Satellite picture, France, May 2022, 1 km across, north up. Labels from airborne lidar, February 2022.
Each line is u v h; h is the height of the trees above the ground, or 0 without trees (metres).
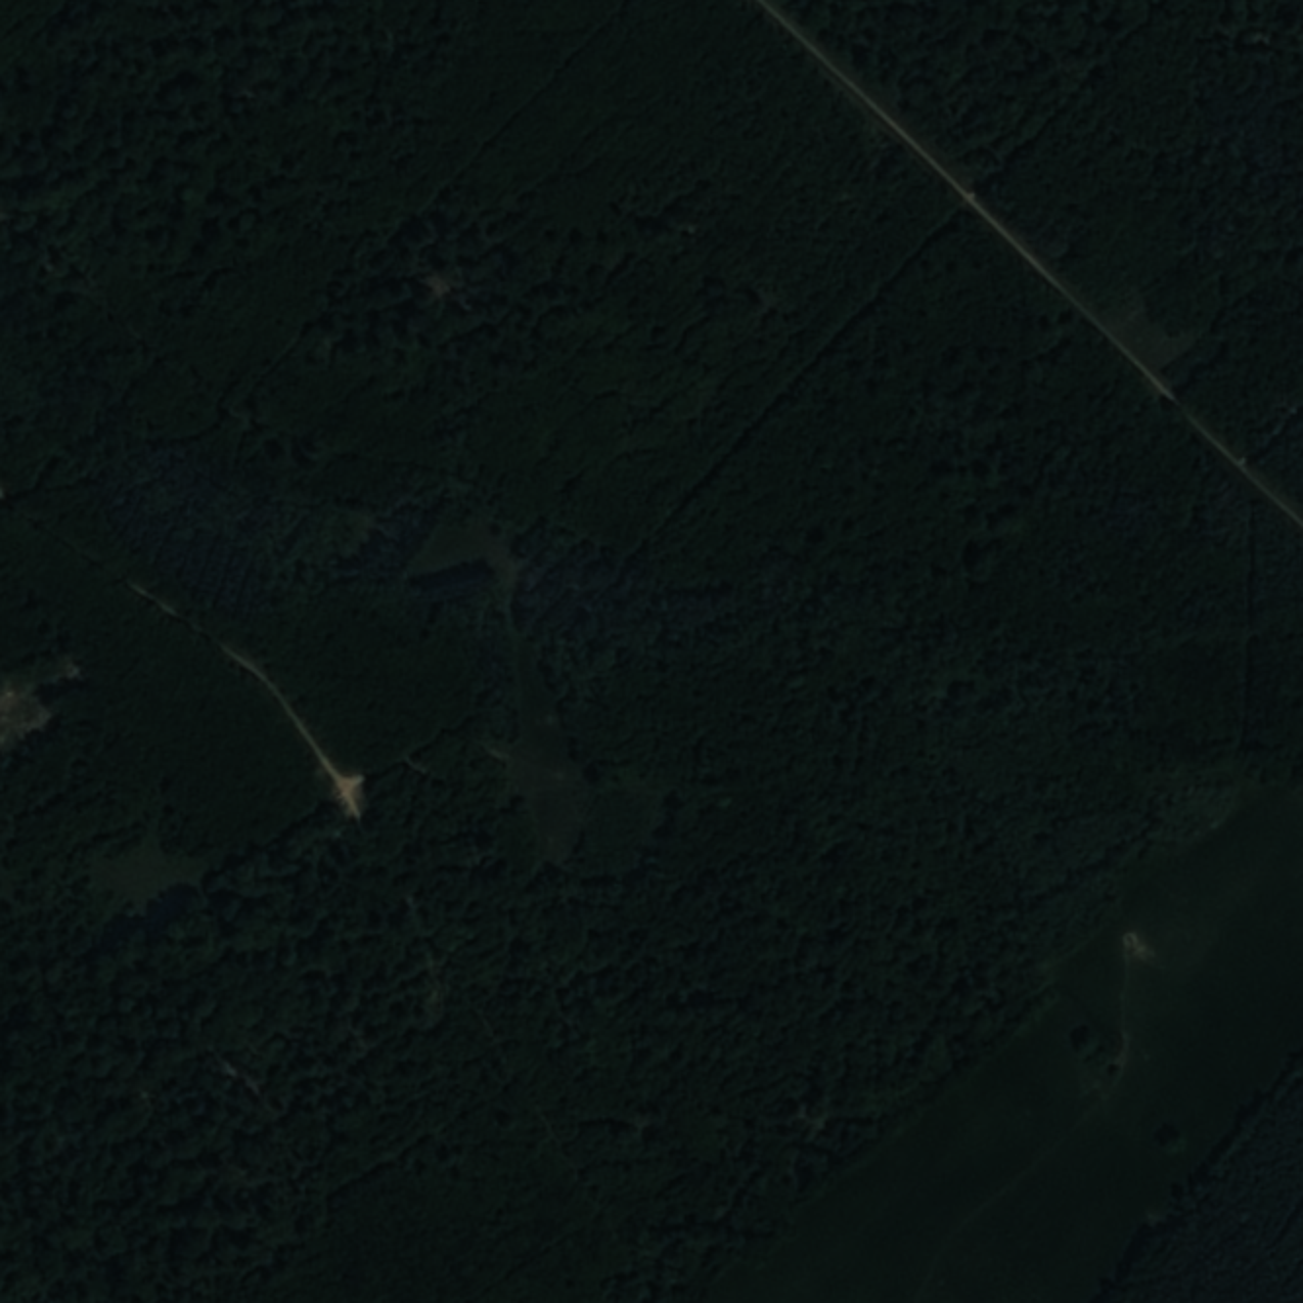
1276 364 18
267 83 28
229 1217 35
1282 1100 10
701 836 19
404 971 23
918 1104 17
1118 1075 8
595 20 10
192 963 35
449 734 13
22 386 22
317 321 9
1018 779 19
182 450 20
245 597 21
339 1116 28
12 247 31
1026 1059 0
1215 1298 19
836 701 28
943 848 24
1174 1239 17
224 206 28
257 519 20
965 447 15
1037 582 20
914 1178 0
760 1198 13
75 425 22
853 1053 23
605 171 10
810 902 19
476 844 30
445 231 30
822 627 27
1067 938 21
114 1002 27
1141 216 15
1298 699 10
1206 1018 0
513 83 13
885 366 23
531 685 0
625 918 17
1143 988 0
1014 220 20
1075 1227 0
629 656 20
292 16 33
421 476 10
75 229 29
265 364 16
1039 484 15
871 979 23
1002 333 16
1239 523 15
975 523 30
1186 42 20
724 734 18
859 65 26
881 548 12
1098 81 21
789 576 19
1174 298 8
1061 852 19
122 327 11
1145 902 0
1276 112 20
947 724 23
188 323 13
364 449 13
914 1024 23
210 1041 27
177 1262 33
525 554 16
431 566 0
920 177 16
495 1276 12
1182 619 21
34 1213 30
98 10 26
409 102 17
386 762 12
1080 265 7
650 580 13
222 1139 28
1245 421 18
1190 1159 0
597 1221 7
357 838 21
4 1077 29
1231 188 21
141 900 0
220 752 13
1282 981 0
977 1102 0
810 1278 0
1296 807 0
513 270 31
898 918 27
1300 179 22
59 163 24
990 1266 0
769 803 15
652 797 0
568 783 0
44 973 29
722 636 24
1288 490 9
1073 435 20
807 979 24
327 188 18
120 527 23
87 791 11
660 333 12
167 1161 26
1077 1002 0
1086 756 24
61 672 0
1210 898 0
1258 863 0
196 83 29
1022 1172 0
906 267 11
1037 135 17
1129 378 13
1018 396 15
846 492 24
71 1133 24
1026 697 20
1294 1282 14
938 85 19
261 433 27
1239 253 19
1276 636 11
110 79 22
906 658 19
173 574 19
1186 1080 0
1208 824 6
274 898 31
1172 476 17
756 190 9
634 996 18
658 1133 13
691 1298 15
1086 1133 0
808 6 25
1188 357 7
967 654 20
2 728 0
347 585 20
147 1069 32
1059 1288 0
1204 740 13
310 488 14
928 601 21
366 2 27
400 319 30
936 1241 0
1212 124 19
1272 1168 13
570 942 24
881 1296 0
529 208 10
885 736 18
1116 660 22
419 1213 11
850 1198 0
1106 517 21
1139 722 11
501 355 17
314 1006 29
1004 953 23
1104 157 19
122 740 14
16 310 32
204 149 26
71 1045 25
